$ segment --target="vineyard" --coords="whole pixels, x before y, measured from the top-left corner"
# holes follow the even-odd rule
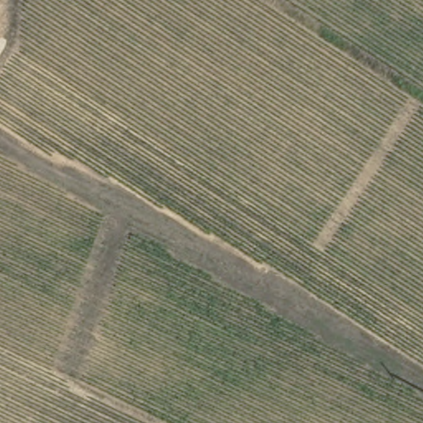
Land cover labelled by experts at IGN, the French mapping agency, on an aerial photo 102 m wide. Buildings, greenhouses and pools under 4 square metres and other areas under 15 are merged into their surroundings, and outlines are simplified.
[[[360,357],[349,359],[344,352],[330,347],[324,340],[317,340],[312,332],[304,327],[266,311],[259,304],[259,299],[243,296],[235,289],[225,288],[215,283],[207,271],[192,268],[172,258],[164,248],[167,241],[164,238],[157,238],[149,231],[145,231],[144,235],[129,233],[131,245],[127,248],[127,256],[122,256],[119,268],[111,268],[106,276],[97,278],[94,274],[94,261],[89,259],[89,251],[93,248],[97,228],[104,216],[94,211],[96,205],[79,197],[68,200],[66,195],[69,192],[66,188],[59,190],[41,178],[33,177],[28,172],[21,172],[17,169],[20,160],[0,152],[0,423],[423,423],[423,392],[406,387],[398,380],[388,377],[387,373],[380,375],[373,372],[370,365],[364,364]]]
[[[392,66],[393,76],[403,78],[411,86],[423,89],[423,0],[25,0],[25,36],[21,40],[15,40],[13,48],[5,43],[5,48],[0,53],[0,122],[7,122],[18,135],[25,137],[30,144],[40,147],[48,154],[58,152],[68,159],[86,165],[101,177],[114,177],[129,187],[139,187],[160,207],[170,208],[205,233],[218,236],[248,254],[254,261],[269,264],[283,271],[288,278],[296,276],[307,291],[314,292],[322,301],[332,304],[347,316],[354,317],[355,321],[362,322],[365,334],[400,355],[402,359],[416,365],[423,360],[423,102],[395,86],[387,76],[377,73],[375,69],[355,59],[347,51],[340,50],[330,41],[324,40],[319,35],[319,30],[322,28],[334,31],[335,35],[342,36],[342,41],[347,43],[347,46],[360,46],[373,58]]]

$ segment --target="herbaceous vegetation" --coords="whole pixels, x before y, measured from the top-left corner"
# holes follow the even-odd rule
[[[5,43],[13,48],[15,40],[21,40],[25,36],[25,0],[0,0],[0,53],[5,48]]]
[[[373,58],[360,46],[347,46],[347,43],[342,41],[342,36],[335,35],[334,31],[322,28],[319,30],[319,35],[324,40],[330,41],[340,50],[347,51],[355,59],[375,69],[377,73],[387,76],[395,86],[423,102],[423,89],[411,86],[403,78],[393,76],[392,66]]]
[[[96,205],[94,211],[104,216],[97,228],[93,248],[89,251],[89,259],[94,261],[94,274],[97,278],[106,276],[111,268],[119,268],[122,256],[127,256],[127,248],[131,245],[129,233],[144,235],[145,231],[149,231],[157,238],[164,238],[167,241],[164,248],[172,258],[192,268],[207,271],[215,283],[225,288],[235,289],[243,296],[259,299],[259,304],[266,311],[304,327],[312,332],[317,340],[324,340],[330,347],[344,352],[349,359],[360,357],[364,364],[370,365],[373,372],[380,375],[387,373],[388,377],[398,380],[406,387],[423,392],[423,360],[416,365],[402,359],[400,355],[365,334],[362,322],[355,321],[354,317],[347,316],[332,304],[322,301],[314,292],[307,291],[296,276],[288,278],[283,271],[269,264],[254,261],[248,254],[218,236],[205,233],[170,208],[160,207],[139,187],[129,187],[114,177],[101,177],[86,165],[68,159],[58,152],[48,154],[40,147],[30,144],[25,137],[18,135],[7,122],[0,122],[0,152],[20,160],[17,169],[21,172],[28,172],[33,177],[41,178],[59,190],[66,188],[69,192],[66,195],[68,200],[79,197]]]

